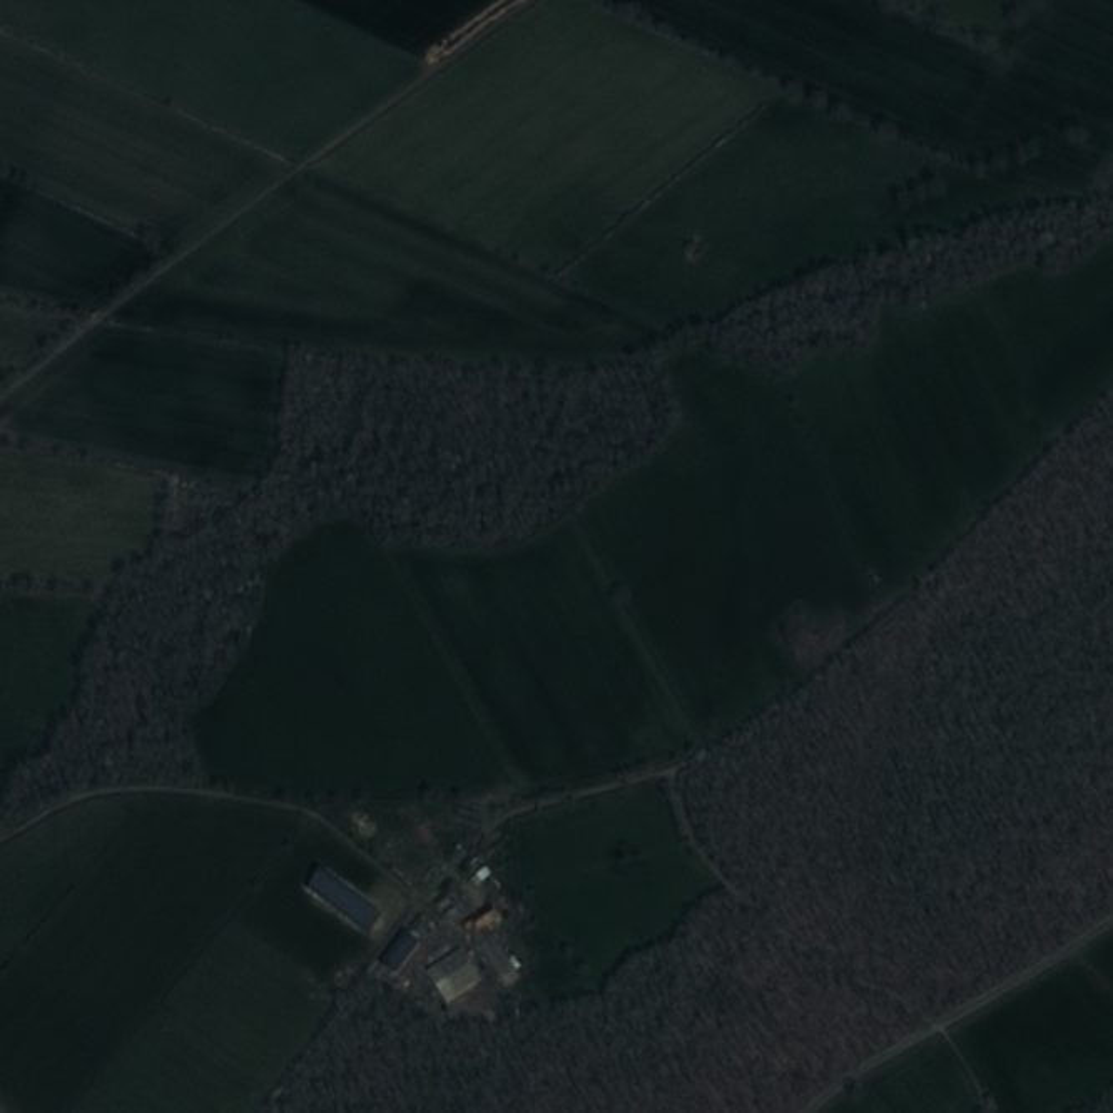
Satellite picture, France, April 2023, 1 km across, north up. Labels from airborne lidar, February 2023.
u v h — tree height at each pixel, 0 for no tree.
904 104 0
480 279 0
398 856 0
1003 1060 0
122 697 19
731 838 19
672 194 0
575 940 0
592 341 0
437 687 0
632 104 0
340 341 0
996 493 0
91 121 0
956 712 23
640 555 0
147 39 0
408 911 0
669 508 0
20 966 0
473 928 0
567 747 0
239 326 0
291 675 0
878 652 16
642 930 0
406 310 0
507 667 0
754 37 0
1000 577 19
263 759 0
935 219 0
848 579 0
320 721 0
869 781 17
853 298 17
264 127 0
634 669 0
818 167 0
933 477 0
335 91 0
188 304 0
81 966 0
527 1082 22
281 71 0
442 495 21
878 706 16
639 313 0
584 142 0
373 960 0
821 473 0
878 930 18
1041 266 14
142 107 0
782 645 0
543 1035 21
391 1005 17
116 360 0
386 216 0
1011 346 0
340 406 13
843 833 22
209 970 0
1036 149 17
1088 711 23
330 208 0
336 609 0
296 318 0
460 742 0
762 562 0
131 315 0
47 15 0
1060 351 0
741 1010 19
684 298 0
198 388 0
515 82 0
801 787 21
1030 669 24
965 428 0
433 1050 19
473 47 0
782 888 20
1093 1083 0
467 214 0
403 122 0
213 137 0
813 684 9
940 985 17
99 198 0
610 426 20
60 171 0
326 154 0
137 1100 0
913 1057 0
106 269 0
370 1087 21
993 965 20
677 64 0
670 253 0
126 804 0
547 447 18
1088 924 16
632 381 17
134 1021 0
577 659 0
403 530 12
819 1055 19
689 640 0
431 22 0
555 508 12
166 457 0
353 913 0
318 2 0
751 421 0
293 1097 15
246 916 0
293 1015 0
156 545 13
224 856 0
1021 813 25
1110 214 15
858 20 0
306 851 0
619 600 11
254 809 0
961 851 11
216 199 0
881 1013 16
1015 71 0
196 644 18
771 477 0
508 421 20
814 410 0
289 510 12
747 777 19
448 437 21
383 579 0
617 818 0
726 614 0
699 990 21
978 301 0
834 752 21
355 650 0
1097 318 0
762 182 0
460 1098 22
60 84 0
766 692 0
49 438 0
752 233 0
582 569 0
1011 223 16
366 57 0
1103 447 16
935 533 0
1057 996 0
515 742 0
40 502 0
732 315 10
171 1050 0
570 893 0
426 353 0
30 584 14
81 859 0
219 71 0
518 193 0
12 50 0
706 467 0
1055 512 20
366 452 20
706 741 0
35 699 0
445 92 0
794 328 14
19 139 0
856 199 0
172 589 13
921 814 23
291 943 0
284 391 13
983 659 22
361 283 0
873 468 0
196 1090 0
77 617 0
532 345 0
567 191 0
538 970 0
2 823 14
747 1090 21
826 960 16
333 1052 19
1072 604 23
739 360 18
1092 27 0
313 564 0
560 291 0
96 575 0
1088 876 8
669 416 18
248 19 0
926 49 0
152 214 0
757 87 0
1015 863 24
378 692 0
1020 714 24
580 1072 22
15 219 0
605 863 0
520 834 0
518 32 0
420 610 0
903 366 0
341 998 15
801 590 0
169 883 0
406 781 0
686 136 0
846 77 0
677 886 0
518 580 0
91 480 0
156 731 19
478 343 0
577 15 0
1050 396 0
